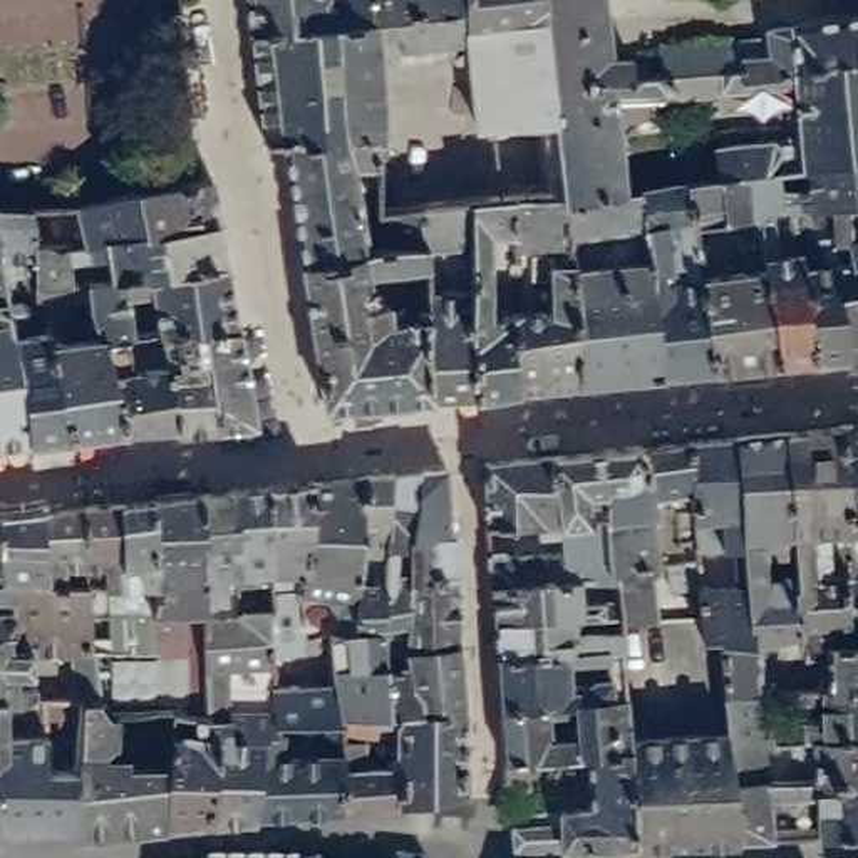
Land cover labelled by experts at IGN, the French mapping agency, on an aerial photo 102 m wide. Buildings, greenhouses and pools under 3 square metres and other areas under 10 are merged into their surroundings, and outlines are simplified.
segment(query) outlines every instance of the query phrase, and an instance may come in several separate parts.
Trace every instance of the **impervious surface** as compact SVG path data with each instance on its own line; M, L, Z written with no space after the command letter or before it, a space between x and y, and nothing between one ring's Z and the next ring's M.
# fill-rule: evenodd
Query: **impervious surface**
M536 781L546 811L566 814L590 808L593 784L583 771Z
M452 57L416 54L385 64L392 154L385 171L389 211L463 208L466 201L486 208L493 198L506 194L540 194L553 178L543 164L540 137L473 137L476 101L469 84L469 50L456 50Z
M204 627L198 623L191 627L191 694L208 694Z
M134 362L117 369L117 379L161 369L168 362L161 345L137 345Z
M47 761L54 764L54 771L74 771L74 764L80 761L80 734L67 724L57 724L50 734Z
M845 278L848 255L821 248L821 238L835 238L835 225L791 231L791 225L781 218L774 228L704 235L704 265L687 258L684 275L677 282L684 288L694 288L697 298L707 298L707 282L714 278L757 275L768 261L791 261L794 255L801 255L811 268L831 271L831 282Z
M365 178L365 211L375 255L395 258L426 251L426 238L419 228L379 221L379 184Z
M335 680L332 647L339 640L325 627L318 630L315 623L271 623L275 660L285 664L275 677L282 687L325 687Z
M178 13L184 30L198 40L198 64L188 70L188 84L198 104L194 144L204 164L191 168L171 184L124 184L104 171L104 134L87 134L84 87L94 80L97 70L111 70L117 60L127 57L134 44L141 44L144 34L164 27ZM312 483L349 479L355 486L369 483L372 473L412 476L439 463L446 466L452 503L452 543L439 543L436 566L446 573L449 587L459 590L459 654L466 674L466 747L473 818L459 821L395 811L382 818L379 835L322 835L298 828L204 835L215 851L298 851L325 858L553 858L513 855L509 835L496 828L496 804L503 801L506 784L506 771L523 768L523 761L519 754L506 754L506 727L499 711L499 607L486 583L476 587L483 576L493 573L489 556L499 553L496 543L489 543L489 530L496 530L496 523L476 509L479 503L486 503L489 463L536 456L556 459L610 449L620 452L637 446L654 449L754 432L814 432L845 422L858 426L858 375L831 372L751 379L731 385L680 385L664 392L573 395L493 409L466 416L459 422L452 409L392 412L389 429L372 432L355 432L355 419L332 419L325 412L325 402L315 395L315 382L305 369L305 362L315 352L308 318L312 308L302 285L302 241L295 228L288 147L268 147L251 117L258 111L258 97L271 97L275 84L258 84L255 77L255 44L265 37L258 27L248 27L251 10L245 0L0 0L0 60L13 50L47 47L47 57L64 57L70 67L77 67L80 80L67 94L57 84L50 84L47 90L30 90L27 111L23 117L17 117L13 131L0 121L0 218L30 215L37 208L94 208L134 198L194 194L201 184L211 181L218 191L218 235L225 238L225 261L218 265L218 271L228 271L231 278L238 325L255 328L261 342L261 352L251 355L248 369L265 369L275 419L285 422L278 432L261 432L255 439L238 442L208 439L114 446L94 452L94 459L87 463L54 469L0 463L0 503L44 499L50 509L74 509L107 503L158 503L181 496L225 496L235 489L258 493L261 486L275 486L278 493L298 493Z
M235 597L241 617L271 613L271 590L245 590Z
M858 851L824 851L821 841L804 841L801 848L690 858L858 858Z
M798 124L784 114L771 121L721 117L707 144L670 158L657 151L654 111L623 111L617 104L603 107L600 114L617 117L620 124L620 147L630 158L633 194L667 184L734 184L717 168L717 147L757 141L788 144L791 137L798 137Z
M560 271L563 255L543 255L536 282L523 275L499 275L499 322L506 315L550 315L550 282L553 271Z
M342 754L342 741L332 737L292 737L288 747L278 754L282 764L315 764L318 757Z
M647 241L633 235L620 241L580 245L580 268L650 268Z
M395 282L379 285L379 302L399 315L399 325L429 328L426 285Z
M680 44L694 37L731 37L731 44L768 47L768 30L778 27L794 27L798 34L811 37L824 23L858 20L858 0L613 0L610 17L627 44L660 34L664 44Z
M828 690L831 670L818 670L814 660L801 664L771 657L757 711L771 714L774 707L798 700L808 690Z
M171 721L151 721L124 731L117 757L121 764L134 764L134 771L141 774L174 771L178 747L194 737L194 731L174 727Z
M67 841L10 845L0 835L0 858L74 858L67 851Z
M20 339L57 335L64 345L94 342L97 332L90 322L87 298L94 285L107 285L107 268L80 268L70 295L40 302L27 312L27 318L20 322Z
M627 637L627 660L610 660L610 670L580 670L576 687L603 684L610 677L613 690L633 690L633 734L640 741L714 741L727 731L724 657L704 650L700 607L690 607L687 597L670 593L667 580L657 580L657 607L667 610L657 630L650 630L644 640Z
M194 841L178 838L144 845L141 858L188 858Z
M389 761L395 757L395 737L382 734L365 757L349 761L352 771L389 768Z
M44 218L37 231L44 248L64 255L80 251L74 218Z

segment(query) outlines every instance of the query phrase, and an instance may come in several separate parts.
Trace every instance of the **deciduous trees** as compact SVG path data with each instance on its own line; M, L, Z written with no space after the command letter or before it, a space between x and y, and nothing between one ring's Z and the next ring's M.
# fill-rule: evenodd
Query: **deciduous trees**
M700 101L667 104L654 111L657 151L670 158L707 144L721 117L714 117L714 107Z
M536 781L506 784L503 801L496 804L496 828L509 835L519 831L526 821L546 818L546 811Z
M801 707L798 700L774 707L771 714L757 711L761 731L778 744L811 744L811 707Z
M191 168L204 164L194 144L198 104L188 84L188 70L198 64L198 40L184 30L178 13L164 27L144 34L141 44L134 44L127 57L117 60L111 70L97 70L94 80L84 87L87 134L104 134L104 171L124 184L171 184Z

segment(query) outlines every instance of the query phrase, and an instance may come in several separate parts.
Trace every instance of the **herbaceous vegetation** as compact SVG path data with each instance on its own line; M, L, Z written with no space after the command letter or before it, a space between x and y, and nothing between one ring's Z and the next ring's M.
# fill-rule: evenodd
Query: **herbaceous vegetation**
M23 117L27 111L30 90L47 90L50 84L57 84L67 94L80 80L77 67L70 67L64 57L47 57L47 47L13 50L0 60L0 121L13 131L17 117Z

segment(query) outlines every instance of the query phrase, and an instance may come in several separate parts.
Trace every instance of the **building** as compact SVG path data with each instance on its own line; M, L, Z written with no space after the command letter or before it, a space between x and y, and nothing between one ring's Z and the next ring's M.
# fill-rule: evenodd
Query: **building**
M44 248L37 231L44 218L74 218L80 251L64 255ZM218 191L211 181L201 184L194 194L134 198L94 208L37 208L30 215L0 218L0 463L54 469L87 463L94 459L94 452L114 446L208 439L238 442L255 439L261 432L278 432L285 422L275 419L265 369L248 369L251 355L261 352L261 342L255 328L238 325L231 278L228 271L218 271L218 265L225 261L225 238L218 235ZM27 312L40 302L70 295L80 268L107 268L107 285L94 285L87 298L90 322L97 332L94 342L64 345L57 335L20 339L20 322L27 318ZM161 369L117 379L117 369L134 362L137 345L161 345L168 362Z
M824 23L811 37L798 34L794 27L778 27L768 30L768 47L731 44L731 37L694 37L680 44L664 44L660 34L627 44L610 17L613 0L245 0L251 10L248 27L258 27L265 37L255 44L255 77L258 84L275 84L271 97L258 97L258 111L251 117L268 147L288 147L295 228L302 241L302 285L312 308L308 318L315 352L305 362L305 369L315 382L315 395L325 402L325 412L332 419L355 419L355 432L372 432L389 429L392 412L452 409L459 422L466 416L493 409L573 395L664 392L680 385L731 385L751 379L831 372L858 375L858 20ZM385 64L416 54L452 57L456 50L469 50L469 84L476 101L473 137L540 137L543 164L553 178L540 194L506 194L493 198L486 208L466 201L463 208L389 211L385 171L392 154ZM734 184L667 184L633 194L630 158L620 147L620 124L617 117L600 114L603 107L617 104L623 111L654 111L667 104L700 101L714 107L714 117L721 117L771 121L784 114L798 124L798 137L791 137L788 144L757 141L717 147L717 168ZM379 184L379 221L419 228L426 238L426 251L395 258L375 255L365 211L365 178ZM821 238L821 248L848 255L845 278L831 282L831 271L811 268L801 255L794 255L791 261L768 261L757 275L714 278L707 282L707 298L697 298L694 288L684 288L677 282L684 275L687 258L704 265L704 235L774 228L781 218L791 225L791 231L835 225L835 238ZM580 245L620 241L633 235L647 241L650 268L580 268ZM523 275L536 282L543 255L563 255L560 271L553 271L550 282L550 315L506 315L499 322L499 275ZM429 328L399 325L399 315L379 302L379 285L395 282L426 285Z
M107 503L74 509L50 509L44 499L0 503L0 835L10 845L67 841L67 851L74 858L141 858L144 845L178 838L194 841L188 858L325 858L298 851L215 851L204 835L298 828L322 835L379 835L382 818L395 811L459 821L473 818L466 747L466 674L459 654L459 590L449 587L446 573L436 566L439 543L452 543L452 503L446 466L439 463L412 476L372 473L369 483L355 486L349 479L312 483L298 493L278 493L275 486L261 486L258 493L235 489L225 496L181 496L158 503ZM235 597L245 590L271 590L271 613L241 617ZM198 623L204 627L208 694L191 694L191 627ZM332 647L335 680L325 687L282 687L275 677L285 664L275 660L271 623L315 623L318 630L325 627L339 640ZM194 737L178 747L174 771L141 774L134 771L134 764L121 764L117 757L124 731L151 721L171 721L174 727L194 731ZM57 724L67 724L80 734L80 761L74 764L74 771L54 771L54 764L47 761L50 734ZM395 757L389 761L389 768L352 771L349 761L365 757L382 734L395 737ZM318 757L315 764L282 764L278 754L288 747L292 737L332 737L342 741L342 754Z
M486 583L499 607L499 711L506 727L506 754L519 754L523 761L523 768L506 771L506 784L536 781L583 771L593 784L590 808L566 814L546 811L546 818L526 821L519 831L509 835L513 855L553 858L690 858L801 848L804 841L821 841L824 851L858 851L858 426L845 422L814 432L754 432L654 449L637 446L620 452L610 449L556 459L536 456L489 463L486 503L479 503L476 509L496 523L496 530L489 530L489 543L496 543L499 553L489 556L493 573L483 576L476 587ZM700 607L704 650L724 657L727 731L714 741L640 741L633 734L633 690L613 690L610 677L603 684L576 687L580 670L610 670L610 660L627 660L627 637L644 640L650 630L657 630L667 610L657 607L657 580L667 580L670 593L687 597L690 607ZM828 690L808 690L798 700L801 707L811 707L811 744L778 744L761 731L757 711L771 657L801 664L814 660L818 670L831 670Z

